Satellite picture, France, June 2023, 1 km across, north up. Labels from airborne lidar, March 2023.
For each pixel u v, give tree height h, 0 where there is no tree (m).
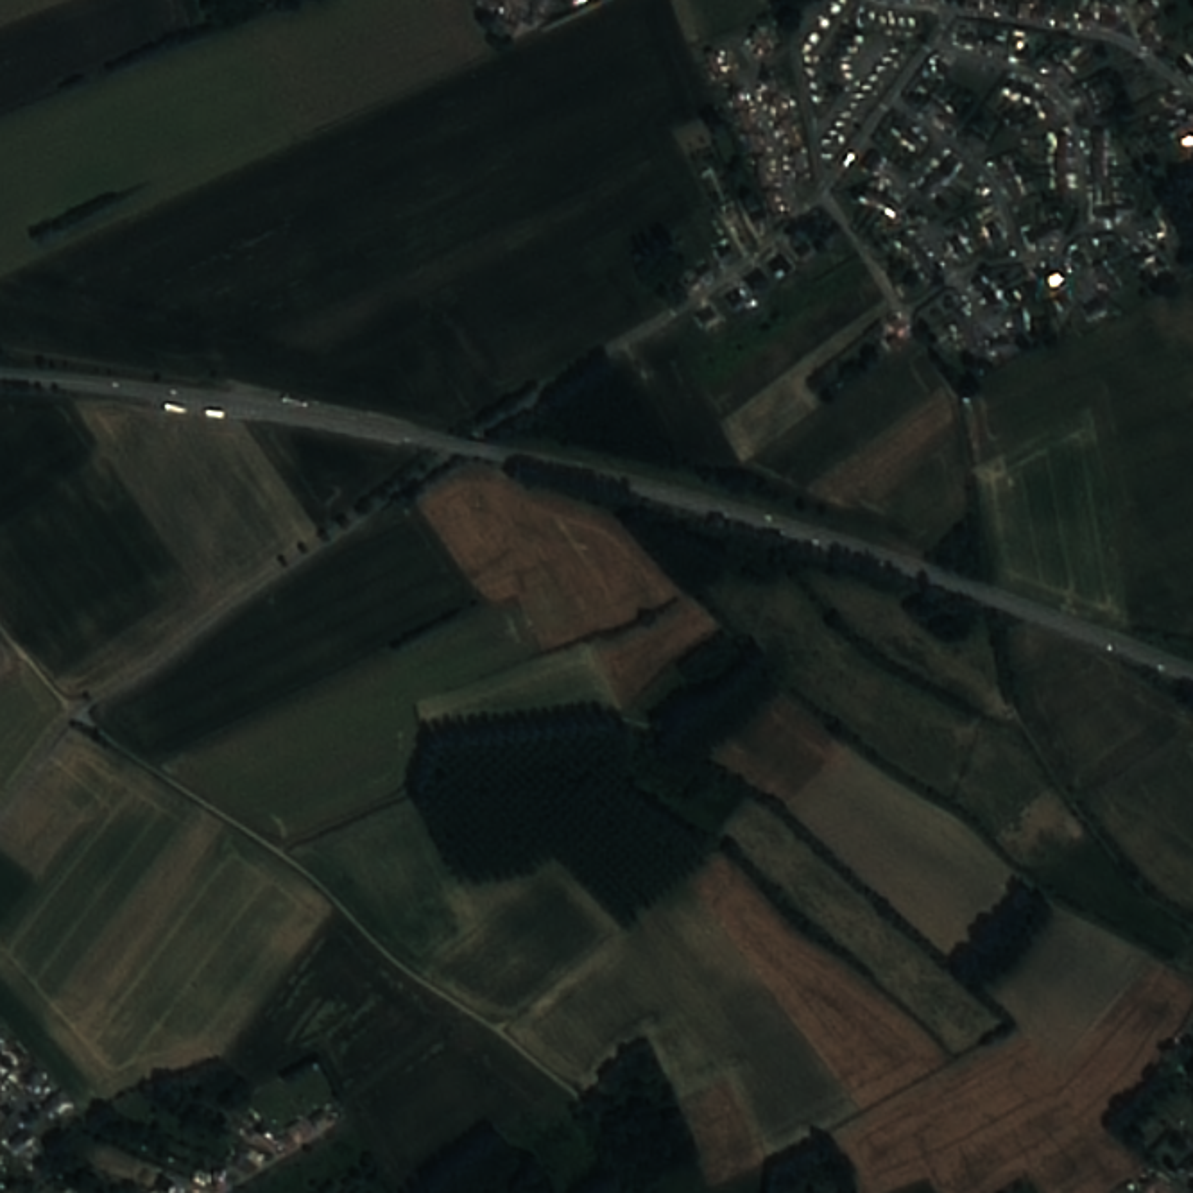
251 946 0
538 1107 0
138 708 0
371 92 0
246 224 0
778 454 0
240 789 0
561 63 0
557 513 0
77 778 0
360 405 0
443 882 0
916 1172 0
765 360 0
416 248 0
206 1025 0
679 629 0
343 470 0
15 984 0
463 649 0
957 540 7
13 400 0
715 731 29
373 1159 7
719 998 0
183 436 0
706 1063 0
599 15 0
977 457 0
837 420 0
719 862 0
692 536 25
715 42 0
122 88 0
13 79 0
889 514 0
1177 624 0
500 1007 0
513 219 0
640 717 0
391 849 0
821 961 0
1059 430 0
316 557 0
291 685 0
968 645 0
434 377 0
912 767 0
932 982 0
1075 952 0
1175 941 0
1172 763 0
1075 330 0
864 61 0
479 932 0
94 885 0
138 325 0
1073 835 0
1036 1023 0
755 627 0
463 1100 0
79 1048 0
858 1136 0
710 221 0
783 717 0
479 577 0
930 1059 0
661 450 26
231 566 0
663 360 0
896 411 0
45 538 0
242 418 0
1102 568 0
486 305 0
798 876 0
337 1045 0
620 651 0
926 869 0
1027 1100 0
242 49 0
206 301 0
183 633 0
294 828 0
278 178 0
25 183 0
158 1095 15
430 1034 0
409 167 0
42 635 0
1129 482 0
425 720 0
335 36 0
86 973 0
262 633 0
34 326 0
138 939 0
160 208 0
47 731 0
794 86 0
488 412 10
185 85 0
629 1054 13
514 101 0
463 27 0
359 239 0
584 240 0
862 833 0
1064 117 0
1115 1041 0
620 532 0
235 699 0
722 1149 0
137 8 0
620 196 0
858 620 0
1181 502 0
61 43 0
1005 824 0
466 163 0
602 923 0
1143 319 0
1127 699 0
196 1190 0
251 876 0
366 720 0
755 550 8
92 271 0
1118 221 0
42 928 0
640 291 0
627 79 0
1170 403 0
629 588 0
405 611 0
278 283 0
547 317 0
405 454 0
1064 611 0
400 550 0
